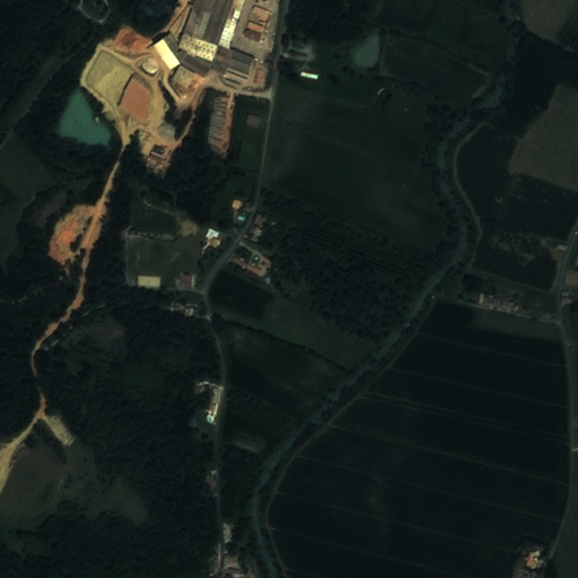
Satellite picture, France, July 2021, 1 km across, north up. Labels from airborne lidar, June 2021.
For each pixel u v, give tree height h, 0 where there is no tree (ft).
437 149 27
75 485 0
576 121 0
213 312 0
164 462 49
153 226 0
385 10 0
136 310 60
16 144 0
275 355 0
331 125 0
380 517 0
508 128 0
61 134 0
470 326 0
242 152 0
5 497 0
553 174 0
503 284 0
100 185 43
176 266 0
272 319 0
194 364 22
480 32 0
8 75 66
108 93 0
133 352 41
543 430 0
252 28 0
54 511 0
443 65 0
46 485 0
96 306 21
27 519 0
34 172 0
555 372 0
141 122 0
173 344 94
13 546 0
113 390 19
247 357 0
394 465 0
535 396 0
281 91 0
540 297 0
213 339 29
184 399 31
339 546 0
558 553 0
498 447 0
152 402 24
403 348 0
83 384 46
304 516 0
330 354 0
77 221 0
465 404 0
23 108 0
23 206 0
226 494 33
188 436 44
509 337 0
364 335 64
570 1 0
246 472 52
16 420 51
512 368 0
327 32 53
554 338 0
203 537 66
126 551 38
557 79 103
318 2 24
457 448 0
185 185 80
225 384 0
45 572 74
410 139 0
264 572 42
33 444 44
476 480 0
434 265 112
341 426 0
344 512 0
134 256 0
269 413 26
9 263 36
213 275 0
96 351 29
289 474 0
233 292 0
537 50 88
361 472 0
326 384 0
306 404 0
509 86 21
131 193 47
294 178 0
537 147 0
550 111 0
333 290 77
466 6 0
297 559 0
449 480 0
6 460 0
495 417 0
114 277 62
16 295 60
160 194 40
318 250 20
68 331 41
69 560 47
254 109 0
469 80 0
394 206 0
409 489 0
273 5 0
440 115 83
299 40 32
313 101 0
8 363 33
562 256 0
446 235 0
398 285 47
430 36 0
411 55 0
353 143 0
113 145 59
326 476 0
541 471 0
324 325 0
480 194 18
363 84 0
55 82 33
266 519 0
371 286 52
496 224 63
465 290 19
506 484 0
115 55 0
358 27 60
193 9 0
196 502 54
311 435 44
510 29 46
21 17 61
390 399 0
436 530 0
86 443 49
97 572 53
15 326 25
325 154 0
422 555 0
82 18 24
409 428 0
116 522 33
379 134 0
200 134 37
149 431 73
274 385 0
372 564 0
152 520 33
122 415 73
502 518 0
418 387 0
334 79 52
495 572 0
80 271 47
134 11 20
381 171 0
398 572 0
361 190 0
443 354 0
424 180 0
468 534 0
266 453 0
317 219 28
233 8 0
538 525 0
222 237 0
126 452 65
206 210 60
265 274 0
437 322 0
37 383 38
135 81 0
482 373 0
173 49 0
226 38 0
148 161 0
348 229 24
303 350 42
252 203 22
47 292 50
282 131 0
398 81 23
